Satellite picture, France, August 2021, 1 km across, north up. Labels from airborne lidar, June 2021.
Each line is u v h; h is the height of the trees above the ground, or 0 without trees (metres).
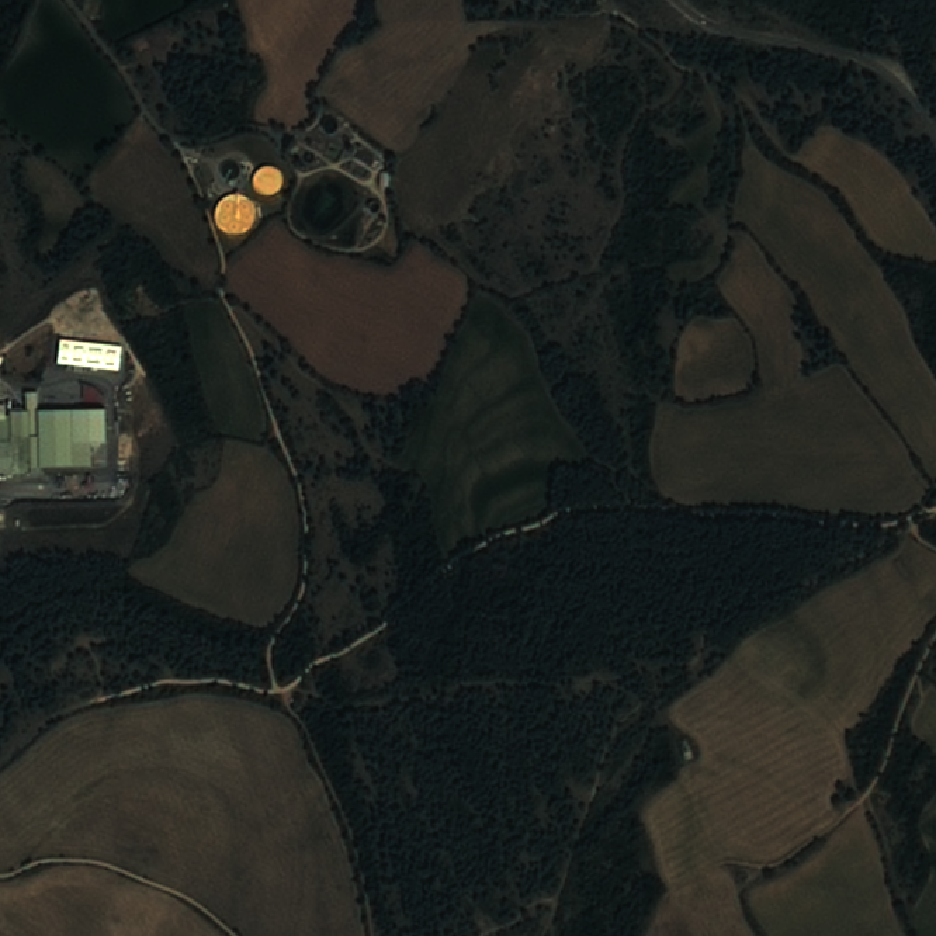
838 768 0
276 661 7
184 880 0
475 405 0
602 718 8
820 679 0
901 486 0
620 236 8
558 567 12
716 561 12
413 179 0
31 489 0
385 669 0
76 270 0
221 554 0
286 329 0
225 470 0
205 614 7
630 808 14
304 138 0
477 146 0
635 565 12
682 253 8
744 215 0
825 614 0
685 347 0
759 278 0
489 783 13
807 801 0
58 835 0
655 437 0
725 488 0
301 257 0
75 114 0
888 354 0
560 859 7
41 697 12
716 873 0
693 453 0
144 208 0
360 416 0
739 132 11
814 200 0
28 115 0
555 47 0
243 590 0
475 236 0
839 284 0
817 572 11
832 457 0
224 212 0
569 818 8
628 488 11
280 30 0
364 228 0
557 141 0
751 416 0
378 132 0
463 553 10
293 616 7
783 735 0
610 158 7
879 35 13
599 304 0
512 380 0
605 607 14
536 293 6
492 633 10
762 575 16
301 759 0
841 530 11
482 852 10
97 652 6
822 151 0
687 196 0
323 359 0
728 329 0
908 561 0
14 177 8
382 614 6
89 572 12
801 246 0
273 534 0
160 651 8
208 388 0
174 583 0
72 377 0
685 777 0
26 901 0
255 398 0
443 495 0
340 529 6
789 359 0
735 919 0
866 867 0
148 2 0
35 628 6
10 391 0
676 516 14
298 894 0
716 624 14
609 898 6
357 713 11
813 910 0
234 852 0
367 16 16
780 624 0
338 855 0
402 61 0
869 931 0
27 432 0
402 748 8
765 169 0
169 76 11
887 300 0
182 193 0
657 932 0
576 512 10
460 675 11
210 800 0
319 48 0
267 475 0
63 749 0
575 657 11
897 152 13
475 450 0
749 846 0
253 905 0
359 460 9
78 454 0
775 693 0
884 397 0
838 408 0
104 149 13
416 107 0
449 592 12
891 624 0
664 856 0
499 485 0
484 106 0
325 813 0
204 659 12
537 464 0
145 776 0
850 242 0
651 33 10
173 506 7
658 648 10
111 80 0
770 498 0
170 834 0
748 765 0
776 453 0
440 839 9
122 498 0
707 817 0
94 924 0
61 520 0
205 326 0
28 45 0
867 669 0
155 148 0
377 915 9
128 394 0
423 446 0
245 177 0
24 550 8
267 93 0
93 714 0
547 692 13
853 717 0
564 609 15
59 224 0
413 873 11
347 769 12
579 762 12
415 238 10
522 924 5
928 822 0
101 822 0
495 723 8
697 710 0
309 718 11
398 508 9
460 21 0
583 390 9
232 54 12
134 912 0
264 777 0
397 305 0
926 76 9
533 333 7
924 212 0
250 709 0
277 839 0
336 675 6
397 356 0
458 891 9
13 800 0
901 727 6
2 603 11
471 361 0
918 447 0
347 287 0
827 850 0
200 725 0
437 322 0
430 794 9
